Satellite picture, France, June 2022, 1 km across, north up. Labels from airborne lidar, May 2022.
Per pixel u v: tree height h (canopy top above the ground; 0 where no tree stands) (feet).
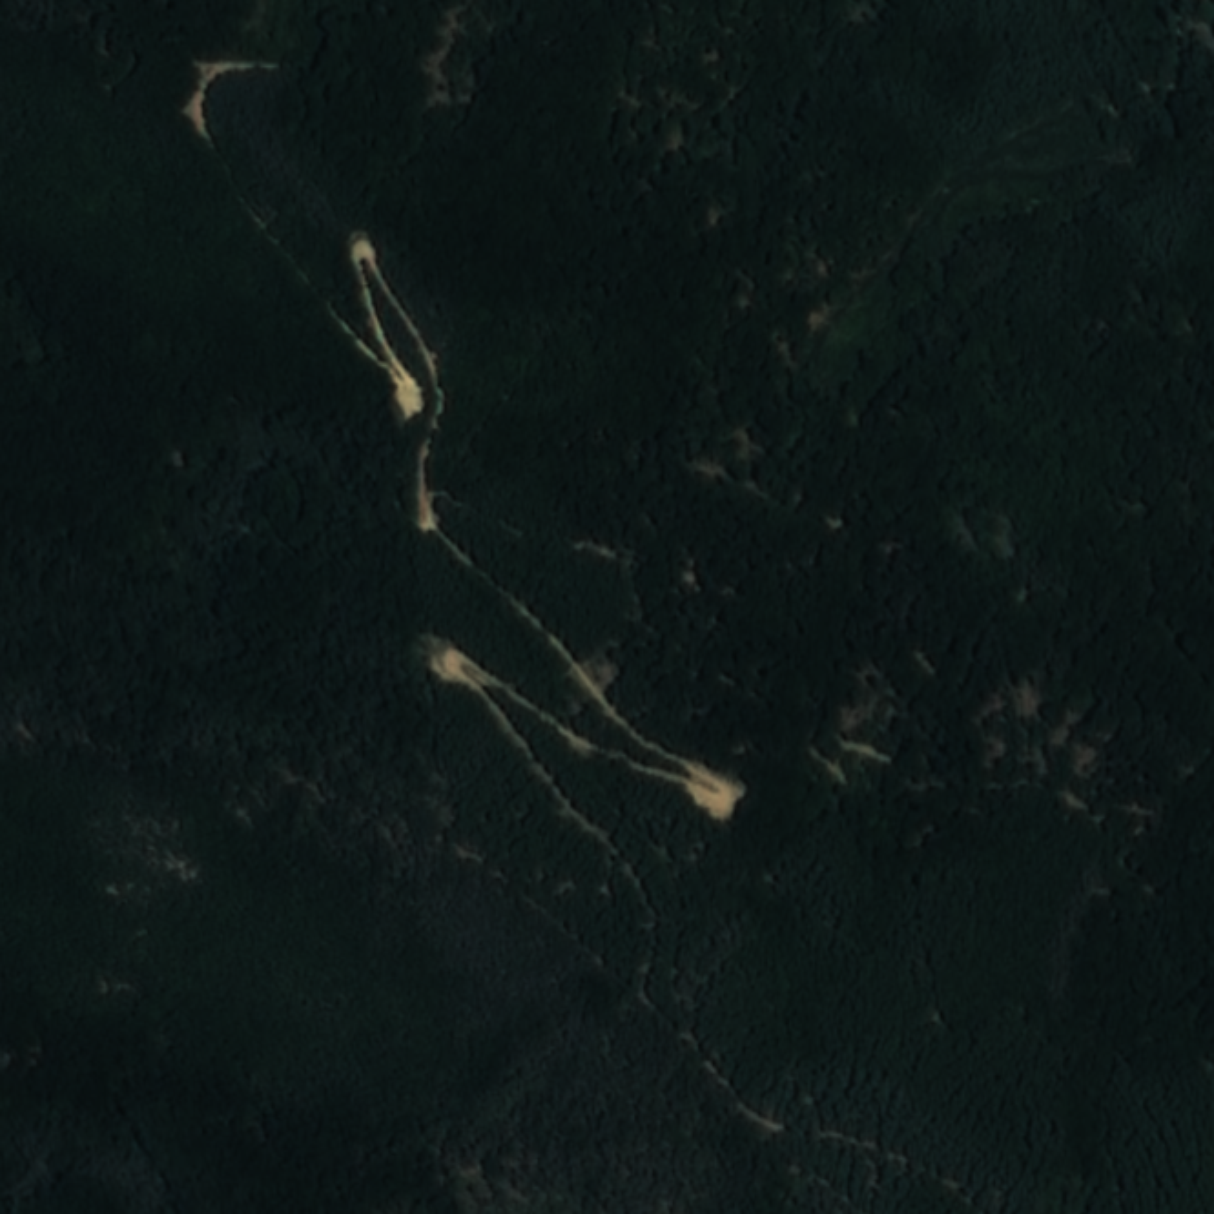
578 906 43
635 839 65
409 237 50
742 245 69
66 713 35
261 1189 86
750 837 71
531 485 64
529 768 67
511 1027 45
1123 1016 98
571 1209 23
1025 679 62
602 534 71
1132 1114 59
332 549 38
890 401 83
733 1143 52
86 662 28
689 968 53
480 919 47
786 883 67
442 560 46
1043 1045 55
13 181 55
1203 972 61
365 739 33
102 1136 34
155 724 35
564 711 51
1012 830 54
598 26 81
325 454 38
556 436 63
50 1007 57
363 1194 70
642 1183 46
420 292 41
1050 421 73
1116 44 64
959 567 76
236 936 44
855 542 73
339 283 36
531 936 41
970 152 67
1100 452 68
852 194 74
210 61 39
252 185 20
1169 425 75
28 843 43
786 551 84
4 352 61
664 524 73
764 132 89
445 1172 47
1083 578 75
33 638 41
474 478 37
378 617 24
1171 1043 57
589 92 77
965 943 64
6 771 46
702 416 94
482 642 60
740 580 94
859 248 84
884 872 70
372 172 54
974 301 68
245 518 43
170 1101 99
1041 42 67
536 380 51
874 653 73
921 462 106
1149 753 49
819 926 73
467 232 57
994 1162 65
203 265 59
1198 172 75
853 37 85
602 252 91
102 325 89
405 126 80
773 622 86
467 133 58
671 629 67
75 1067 77
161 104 63
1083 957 85
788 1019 39
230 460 37
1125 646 98
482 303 62
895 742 44
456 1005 33
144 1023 53
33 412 82
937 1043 64
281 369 72
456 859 24
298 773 35
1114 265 72
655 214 94
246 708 48
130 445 66
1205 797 88
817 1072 36
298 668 31
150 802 28
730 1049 57
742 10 69
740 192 75
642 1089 27
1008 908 38
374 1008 45
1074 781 44
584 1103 40
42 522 71
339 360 56
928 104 80
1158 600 65
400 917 33
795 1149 62
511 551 52
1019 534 39
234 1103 72
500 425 46
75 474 89
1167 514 73
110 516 63
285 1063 45
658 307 87
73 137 56
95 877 30
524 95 72
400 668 30
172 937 42
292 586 69
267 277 51
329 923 44
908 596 71
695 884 61
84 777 38
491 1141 42
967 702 84
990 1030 58
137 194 51
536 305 66
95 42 61
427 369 22
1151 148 48
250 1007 46
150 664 36
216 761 38
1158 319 25
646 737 57
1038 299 67
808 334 61
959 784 85
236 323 70
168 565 27
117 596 54
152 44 78
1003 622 51
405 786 20
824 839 73
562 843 48
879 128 91
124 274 61
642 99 72
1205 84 61
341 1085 51
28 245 63
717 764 85
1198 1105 64
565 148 88
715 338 74
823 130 82
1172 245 77
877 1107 66
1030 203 23
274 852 63
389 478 19
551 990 44
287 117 52
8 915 34
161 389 92
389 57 67
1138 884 105
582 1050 52
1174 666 76
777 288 63
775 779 72
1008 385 62
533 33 75
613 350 64
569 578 73
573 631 68
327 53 74
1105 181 53
